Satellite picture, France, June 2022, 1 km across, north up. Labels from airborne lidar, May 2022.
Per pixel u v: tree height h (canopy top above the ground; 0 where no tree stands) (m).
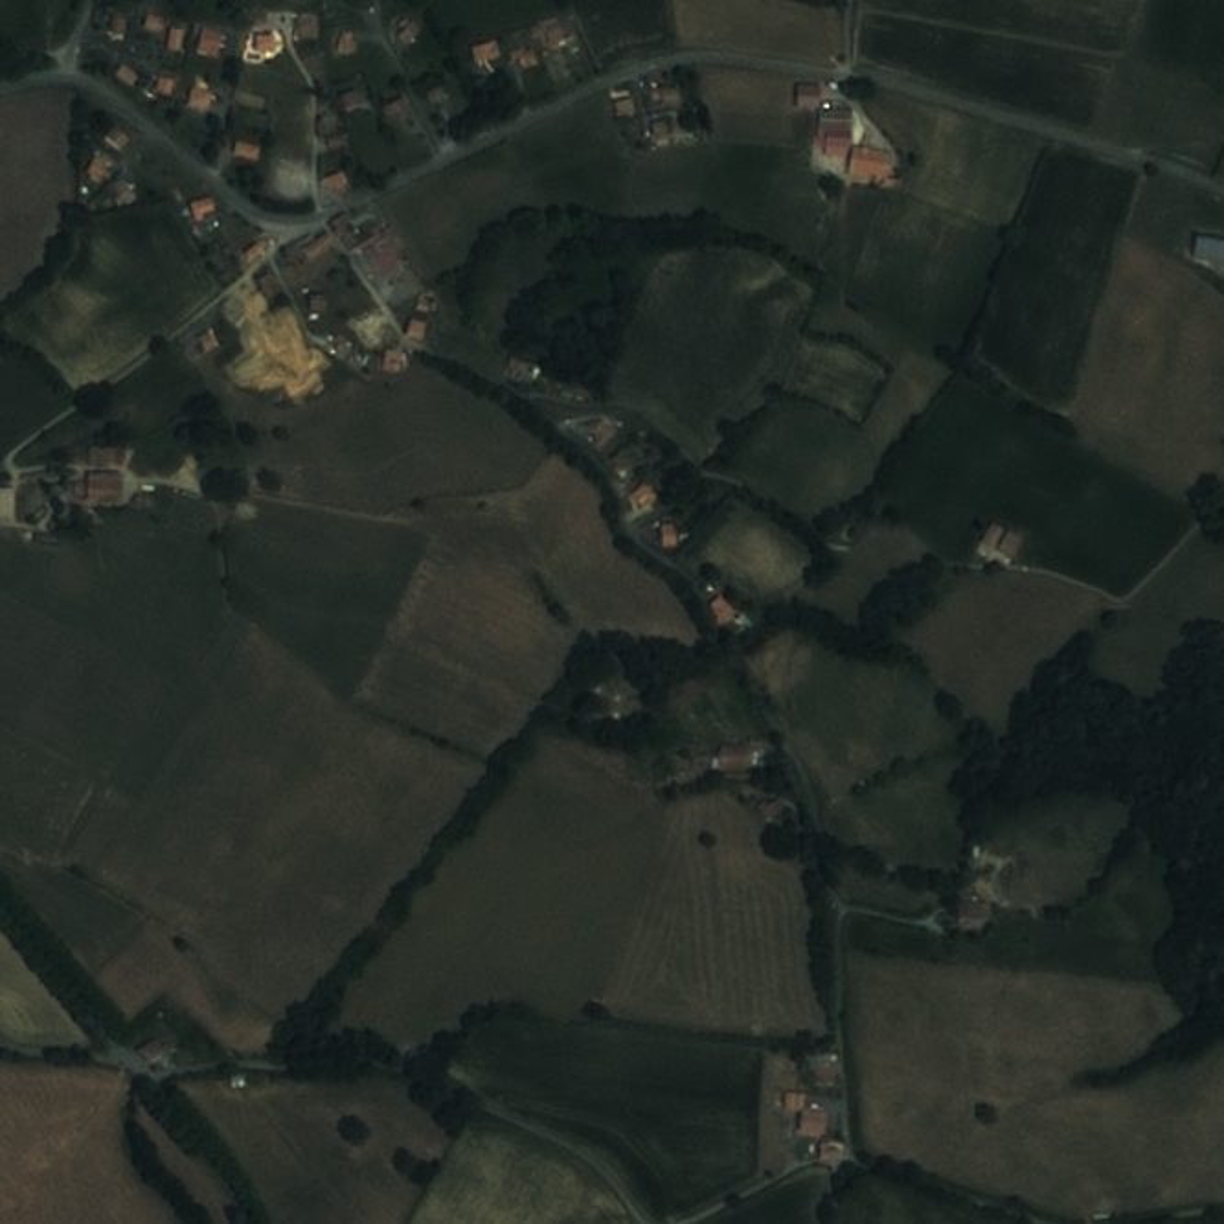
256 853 0
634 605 0
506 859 0
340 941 0
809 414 0
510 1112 0
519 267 0
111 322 0
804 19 0
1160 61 0
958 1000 0
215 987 0
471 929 0
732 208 0
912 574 17
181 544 0
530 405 12
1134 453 0
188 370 0
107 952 0
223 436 11
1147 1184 0
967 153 0
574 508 0
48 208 0
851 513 19
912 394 0
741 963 0
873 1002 0
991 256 0
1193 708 30
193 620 0
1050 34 0
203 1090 0
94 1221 0
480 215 0
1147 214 0
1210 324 0
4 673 0
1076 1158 0
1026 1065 0
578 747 0
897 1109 0
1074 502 0
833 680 0
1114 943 0
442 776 0
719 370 0
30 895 0
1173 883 20
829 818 0
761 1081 0
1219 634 22
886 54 0
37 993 0
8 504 0
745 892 0
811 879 15
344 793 0
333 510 0
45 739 0
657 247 22
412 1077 18
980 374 16
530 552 0
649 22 0
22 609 0
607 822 0
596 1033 0
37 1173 0
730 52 0
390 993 0
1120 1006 0
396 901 8
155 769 0
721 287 0
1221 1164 0
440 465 0
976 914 0
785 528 15
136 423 0
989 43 0
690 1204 0
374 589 0
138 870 0
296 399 0
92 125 13
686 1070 0
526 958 0
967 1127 0
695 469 21
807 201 0
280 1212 0
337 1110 0
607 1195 0
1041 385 0
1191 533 0
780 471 0
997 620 0
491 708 0
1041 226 0
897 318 0
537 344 21
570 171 0
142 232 0
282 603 0
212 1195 0
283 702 0
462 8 0
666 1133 0
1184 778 27
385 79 0
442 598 0
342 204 0
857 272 0
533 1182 0
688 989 0
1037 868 0
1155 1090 0
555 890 0
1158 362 0
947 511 0
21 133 0
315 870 0
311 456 0
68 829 0
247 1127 0
